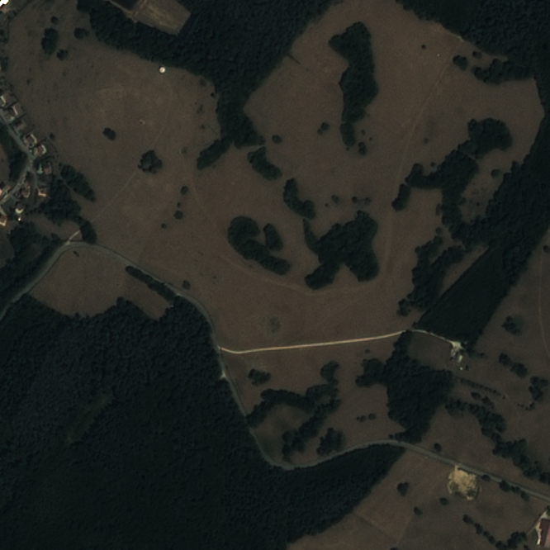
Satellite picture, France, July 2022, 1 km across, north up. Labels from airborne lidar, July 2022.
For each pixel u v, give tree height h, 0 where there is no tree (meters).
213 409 23
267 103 0
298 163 0
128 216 0
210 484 20
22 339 17
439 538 0
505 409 0
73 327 29
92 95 0
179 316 22
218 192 0
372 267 11
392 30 0
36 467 24
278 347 0
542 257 0
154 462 22
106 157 0
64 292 0
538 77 10
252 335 0
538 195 22
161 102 0
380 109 0
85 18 0
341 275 0
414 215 0
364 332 0
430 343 0
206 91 0
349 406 0
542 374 0
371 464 6
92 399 27
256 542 21
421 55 0
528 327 0
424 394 19
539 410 0
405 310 11
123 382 24
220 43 21
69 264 0
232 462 30
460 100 0
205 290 0
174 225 0
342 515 14
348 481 25
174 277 0
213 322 0
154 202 0
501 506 0
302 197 0
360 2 0
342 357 0
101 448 19
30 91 0
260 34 19
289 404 16
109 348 14
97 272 0
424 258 16
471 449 0
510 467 0
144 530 23
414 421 21
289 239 0
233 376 0
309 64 0
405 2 17
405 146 0
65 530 11
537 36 8
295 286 0
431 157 0
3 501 19
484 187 0
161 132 0
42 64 0
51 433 12
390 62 0
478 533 8
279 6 20
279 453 0
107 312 8
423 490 0
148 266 0
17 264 19
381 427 0
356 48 10
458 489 0
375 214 0
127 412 22
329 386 6
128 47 14
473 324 7
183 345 30
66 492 13
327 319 0
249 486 20
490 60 0
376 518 0
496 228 25
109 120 0
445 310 6
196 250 0
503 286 7
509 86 0
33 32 0
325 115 0
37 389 22
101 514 15
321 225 0
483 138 15
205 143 0
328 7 10
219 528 17
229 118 18
